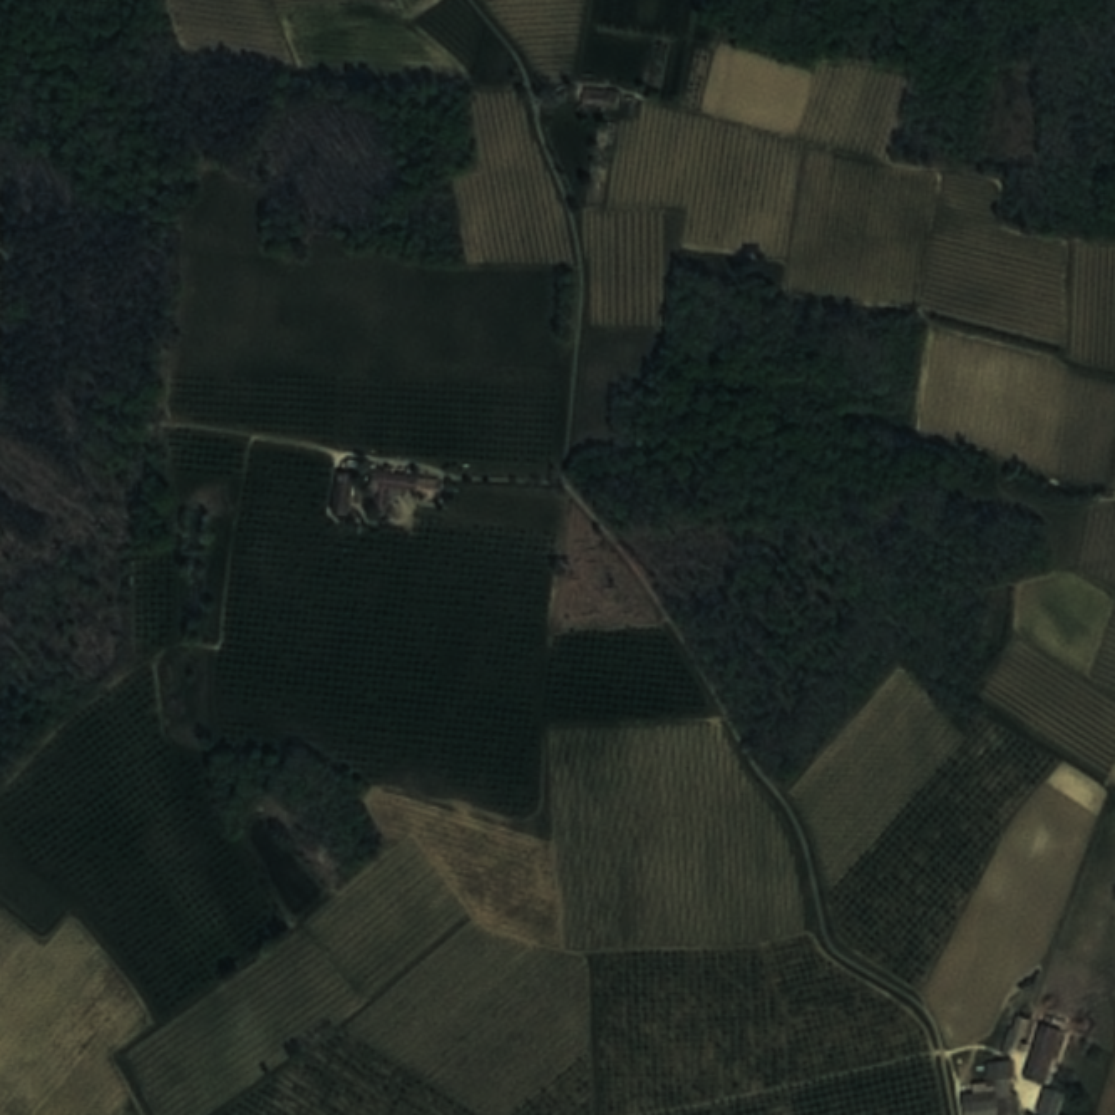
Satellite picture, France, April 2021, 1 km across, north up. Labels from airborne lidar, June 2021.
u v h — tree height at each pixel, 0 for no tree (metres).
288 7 0
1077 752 0
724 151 0
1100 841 0
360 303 0
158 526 23
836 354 12
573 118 0
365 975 0
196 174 16
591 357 0
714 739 0
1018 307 0
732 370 27
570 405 0
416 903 0
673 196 0
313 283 0
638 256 0
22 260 20
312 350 0
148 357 20
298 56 0
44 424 17
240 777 16
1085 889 0
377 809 0
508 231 0
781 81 0
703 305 21
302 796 20
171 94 20
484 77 0
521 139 0
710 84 0
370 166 16
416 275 0
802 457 25
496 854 0
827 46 17
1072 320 0
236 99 22
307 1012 0
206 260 0
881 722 0
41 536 21
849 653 17
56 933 0
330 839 13
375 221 15
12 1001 0
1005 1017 0
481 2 0
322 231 8
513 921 0
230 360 0
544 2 0
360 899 0
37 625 21
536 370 0
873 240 0
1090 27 20
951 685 19
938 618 21
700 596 9
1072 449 0
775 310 25
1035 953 0
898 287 0
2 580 18
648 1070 6
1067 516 0
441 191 17
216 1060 0
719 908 0
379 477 0
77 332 23
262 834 0
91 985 0
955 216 0
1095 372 0
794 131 0
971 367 0
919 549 20
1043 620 0
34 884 0
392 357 0
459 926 0
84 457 21
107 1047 0
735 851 0
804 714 20
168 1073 0
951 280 0
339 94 20
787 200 0
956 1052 0
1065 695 0
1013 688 0
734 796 0
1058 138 17
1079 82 20
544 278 0
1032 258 0
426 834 0
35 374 25
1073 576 0
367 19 0
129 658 8
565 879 0
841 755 0
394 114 23
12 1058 0
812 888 0
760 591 25
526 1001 0
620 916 0
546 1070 0
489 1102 0
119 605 9
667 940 0
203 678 0
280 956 0
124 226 25
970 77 19
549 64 0
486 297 0
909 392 20
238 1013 0
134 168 16
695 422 28
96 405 21
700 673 15
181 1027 0
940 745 0
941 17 20
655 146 0
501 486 0
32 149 22
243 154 22
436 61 0
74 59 25
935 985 0
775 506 23
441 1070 0
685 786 0
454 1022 0
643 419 19
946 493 26
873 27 28
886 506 22
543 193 0
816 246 0
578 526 0
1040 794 0
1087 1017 0
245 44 0
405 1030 0
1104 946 0
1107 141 20
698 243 0
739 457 20
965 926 0
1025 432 0
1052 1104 0
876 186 0
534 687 0
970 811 5
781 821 0
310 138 13
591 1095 0
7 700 6
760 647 19
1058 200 17
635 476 15
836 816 0
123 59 21
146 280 24
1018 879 0
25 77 20
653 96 10
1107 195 26
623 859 0
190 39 0
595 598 0
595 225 0
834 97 0
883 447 23
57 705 9
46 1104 0
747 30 18
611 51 0
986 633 21
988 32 26
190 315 0
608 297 0
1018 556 21
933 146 16
